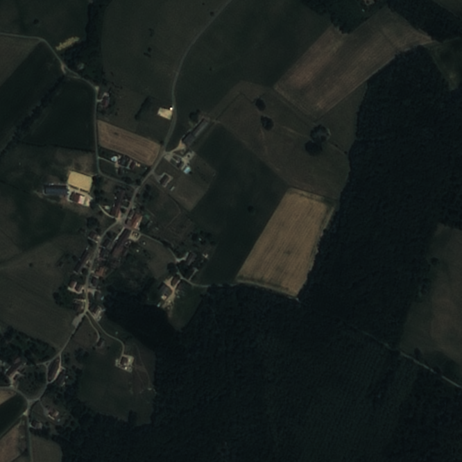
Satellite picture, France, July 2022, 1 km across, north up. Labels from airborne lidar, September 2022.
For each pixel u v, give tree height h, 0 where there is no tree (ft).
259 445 54
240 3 0
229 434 28
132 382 0
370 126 77
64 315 0
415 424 77
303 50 0
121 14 0
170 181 0
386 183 80
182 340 34
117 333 0
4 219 0
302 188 0
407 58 64
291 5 0
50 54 0
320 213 0
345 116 0
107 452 80
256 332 54
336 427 102
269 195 0
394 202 86
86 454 73
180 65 0
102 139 0
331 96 0
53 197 0
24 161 0
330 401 96
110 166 0
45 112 0
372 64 0
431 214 87
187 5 0
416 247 85
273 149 0
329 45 0
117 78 0
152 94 0
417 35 0
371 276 106
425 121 72
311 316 70
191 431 74
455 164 75
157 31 0
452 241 0
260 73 0
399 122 78
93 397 0
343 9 20
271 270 0
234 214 0
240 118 0
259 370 69
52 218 0
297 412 67
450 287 0
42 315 0
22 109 0
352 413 107
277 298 71
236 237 0
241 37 0
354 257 86
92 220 34
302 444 86
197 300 0
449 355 0
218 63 0
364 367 86
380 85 65
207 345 75
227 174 0
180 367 70
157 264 0
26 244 0
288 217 0
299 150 0
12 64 0
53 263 0
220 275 0
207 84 0
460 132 98
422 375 68
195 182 0
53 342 0
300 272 0
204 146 0
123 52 0
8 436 0
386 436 40
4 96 0
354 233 86
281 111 0
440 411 76
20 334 25
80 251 0
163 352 60
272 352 69
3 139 0
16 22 0
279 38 0
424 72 62
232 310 84
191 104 0
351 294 60
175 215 0
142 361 0
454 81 0
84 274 30
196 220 0
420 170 92
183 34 0
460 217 70
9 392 0
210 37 0
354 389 92
